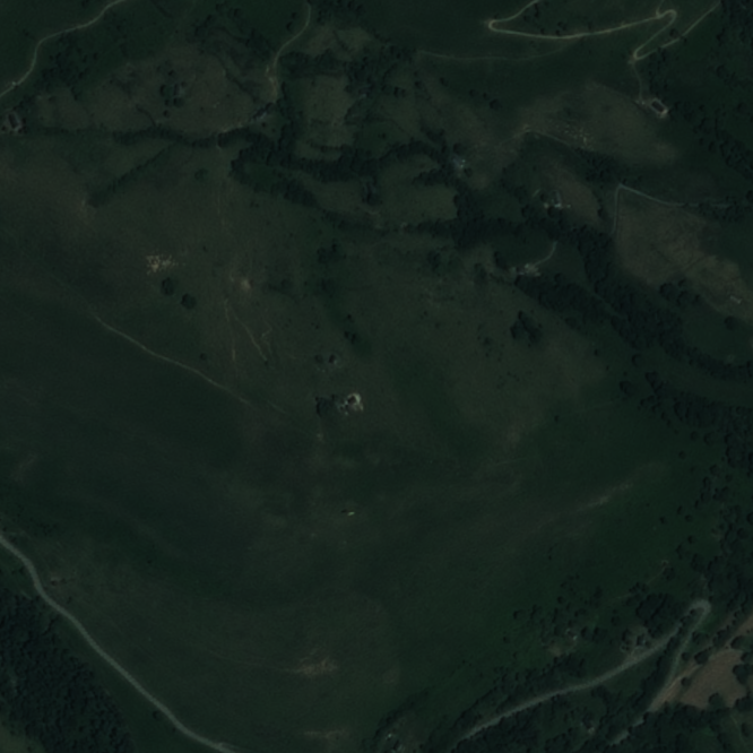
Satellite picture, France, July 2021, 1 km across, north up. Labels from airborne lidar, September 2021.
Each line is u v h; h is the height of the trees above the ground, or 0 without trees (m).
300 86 0
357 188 0
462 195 12
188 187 0
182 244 0
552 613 7
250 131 11
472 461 0
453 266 7
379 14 0
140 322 0
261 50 9
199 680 0
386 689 0
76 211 0
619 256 0
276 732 0
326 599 0
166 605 0
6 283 0
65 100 0
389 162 9
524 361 0
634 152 0
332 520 0
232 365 0
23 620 23
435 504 0
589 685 0
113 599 0
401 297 0
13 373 0
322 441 0
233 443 0
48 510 0
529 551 0
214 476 0
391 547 0
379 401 0
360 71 15
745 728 11
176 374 0
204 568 0
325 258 14
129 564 0
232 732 0
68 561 0
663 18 0
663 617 26
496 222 14
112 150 0
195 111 0
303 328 0
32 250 0
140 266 0
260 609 0
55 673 17
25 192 0
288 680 0
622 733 15
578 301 21
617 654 0
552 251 0
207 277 0
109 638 0
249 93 0
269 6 0
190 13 0
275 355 0
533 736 19
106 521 0
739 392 0
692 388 0
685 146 0
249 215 0
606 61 0
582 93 0
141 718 0
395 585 0
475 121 0
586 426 0
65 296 0
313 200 12
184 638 0
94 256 0
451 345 0
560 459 0
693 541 19
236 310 0
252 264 0
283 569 0
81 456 0
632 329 13
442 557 0
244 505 0
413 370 0
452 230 10
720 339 0
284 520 0
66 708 6
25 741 0
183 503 0
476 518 0
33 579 0
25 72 0
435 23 0
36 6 0
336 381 0
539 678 14
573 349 0
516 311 0
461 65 0
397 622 0
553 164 0
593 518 0
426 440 0
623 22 0
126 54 0
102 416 0
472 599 0
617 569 0
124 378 0
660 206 0
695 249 0
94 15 0
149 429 0
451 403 0
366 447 0
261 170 0
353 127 0
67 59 10
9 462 0
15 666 19
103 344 0
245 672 0
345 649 0
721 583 14
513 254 0
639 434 0
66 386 0
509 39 0
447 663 0
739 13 16
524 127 0
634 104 0
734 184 0
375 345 0
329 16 11
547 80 0
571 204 0
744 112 17
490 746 16
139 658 0
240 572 0
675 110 8
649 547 0
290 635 0
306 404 0
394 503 0
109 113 0
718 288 0
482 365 0
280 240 0
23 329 0
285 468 0
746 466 15
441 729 7
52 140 0
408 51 8
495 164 0
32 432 0
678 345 14
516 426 0
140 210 0
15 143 0
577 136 0
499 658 0
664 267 0
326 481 0
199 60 0
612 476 0
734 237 0
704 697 0
